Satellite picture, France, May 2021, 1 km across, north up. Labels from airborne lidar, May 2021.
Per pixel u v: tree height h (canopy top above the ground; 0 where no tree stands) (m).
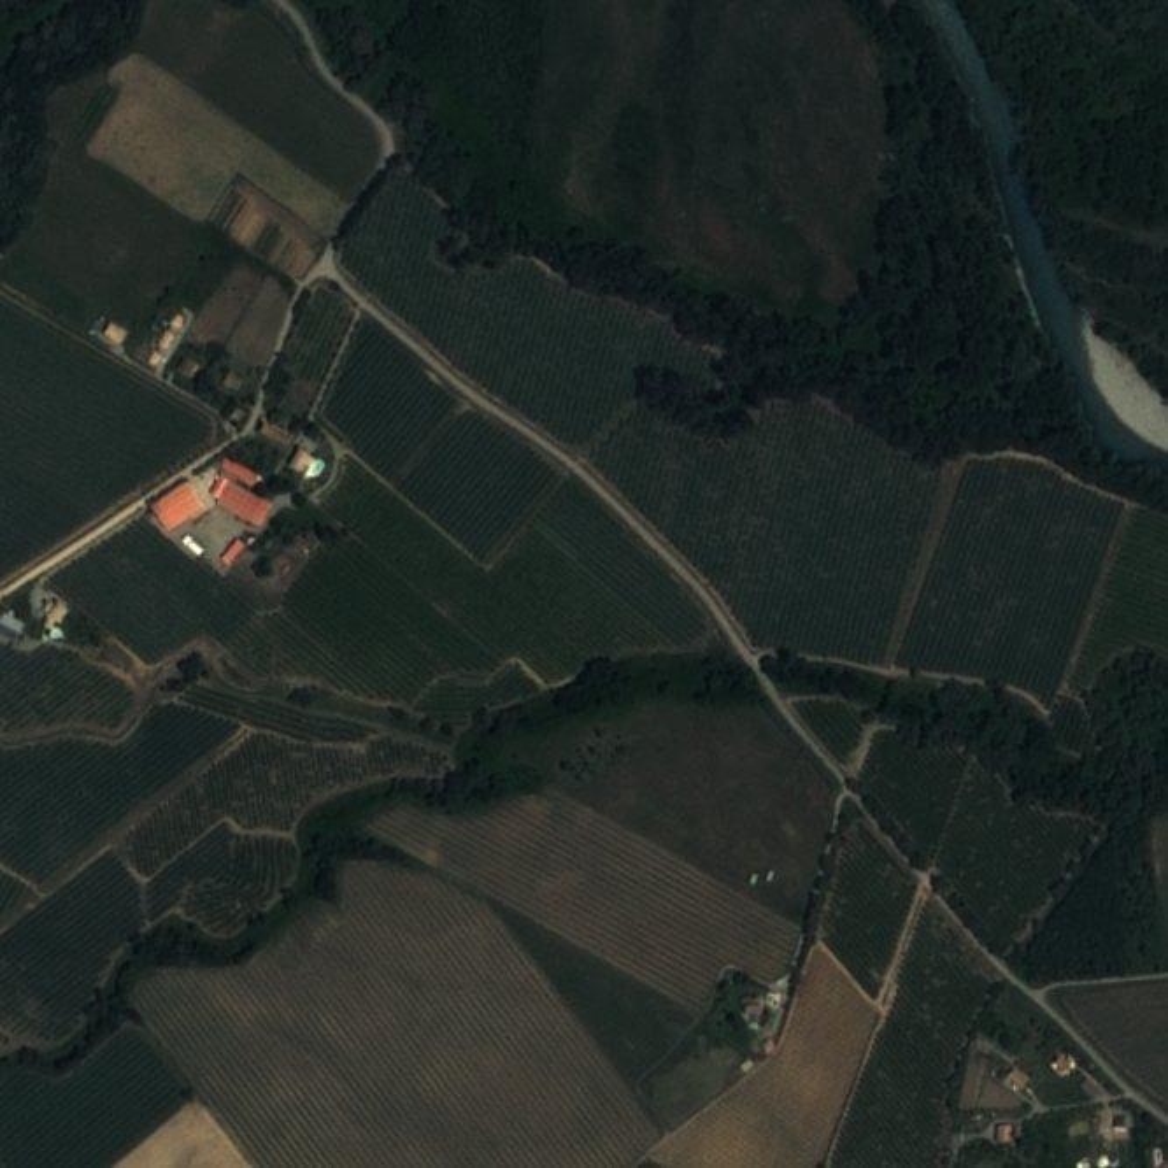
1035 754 19
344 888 0
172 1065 0
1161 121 7
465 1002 0
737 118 0
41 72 10
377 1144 0
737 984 7
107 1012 14
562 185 0
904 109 20
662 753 0
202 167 0
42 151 14
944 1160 6
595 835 0
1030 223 0
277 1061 0
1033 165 16
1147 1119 12
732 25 0
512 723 14
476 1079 0
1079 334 0
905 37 21
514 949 0
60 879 0
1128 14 12
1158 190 15
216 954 15
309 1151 0
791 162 0
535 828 0
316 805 0
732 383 32
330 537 22
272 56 0
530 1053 0
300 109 0
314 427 16
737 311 29
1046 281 0
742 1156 0
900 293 30
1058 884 10
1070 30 9
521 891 0
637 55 0
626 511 0
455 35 6
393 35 16
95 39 12
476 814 0
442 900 0
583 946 0
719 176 0
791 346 27
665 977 0
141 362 0
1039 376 6
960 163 25
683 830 0
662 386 34
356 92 8
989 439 16
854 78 0
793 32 0
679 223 0
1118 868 9
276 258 0
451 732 15
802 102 0
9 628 0
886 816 7
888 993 0
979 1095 0
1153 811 8
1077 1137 0
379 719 0
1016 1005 0
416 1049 0
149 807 0
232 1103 0
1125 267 7
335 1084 0
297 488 8
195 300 0
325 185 0
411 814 0
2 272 0
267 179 0
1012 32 11
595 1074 0
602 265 12
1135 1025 0
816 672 8
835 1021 0
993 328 22
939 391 10
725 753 0
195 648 0
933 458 29
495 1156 0
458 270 25
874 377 19
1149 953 12
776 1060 0
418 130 14
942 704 17
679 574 0
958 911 13
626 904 0
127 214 0
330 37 8
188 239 0
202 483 0
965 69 0
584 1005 0
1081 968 8
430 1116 0
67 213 0
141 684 0
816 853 0
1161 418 0
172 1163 0
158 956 10
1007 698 20
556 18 0
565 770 10
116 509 0
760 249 0
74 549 0
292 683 0
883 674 0
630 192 0
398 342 0
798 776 0
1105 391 0
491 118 6
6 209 15
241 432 7
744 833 0
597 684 22
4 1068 17
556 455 0
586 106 0
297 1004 0
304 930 0
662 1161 0
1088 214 0
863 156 0
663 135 0
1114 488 11
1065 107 8
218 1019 0
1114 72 5
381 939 0
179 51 0
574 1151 0
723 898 0
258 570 6
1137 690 13
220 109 0
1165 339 14
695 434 32
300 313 8
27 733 0
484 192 15
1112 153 15
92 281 0
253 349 0
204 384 11
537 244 17
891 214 25
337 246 11
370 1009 0
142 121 0
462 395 0
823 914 9
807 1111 0
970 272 14
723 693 11
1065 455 20
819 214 0
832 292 0
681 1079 0
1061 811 10
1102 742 12
